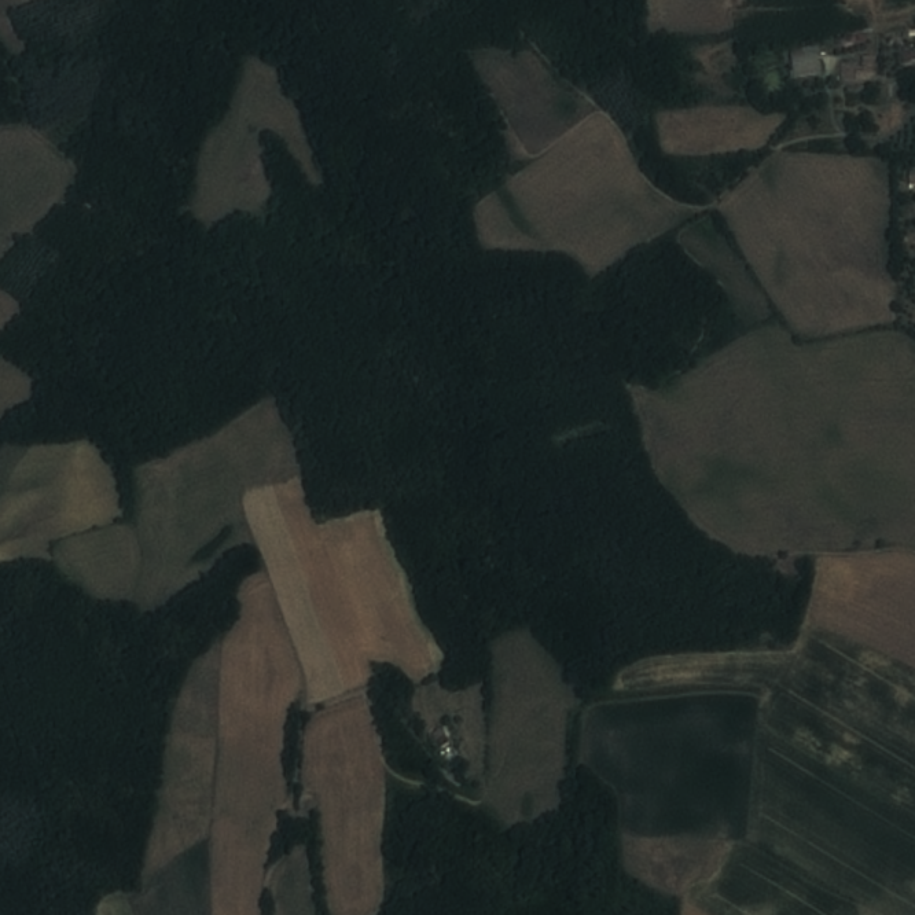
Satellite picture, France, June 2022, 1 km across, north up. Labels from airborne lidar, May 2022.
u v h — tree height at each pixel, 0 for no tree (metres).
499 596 20
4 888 15
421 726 16
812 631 0
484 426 26
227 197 0
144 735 23
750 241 0
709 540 10
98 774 16
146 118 14
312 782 0
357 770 0
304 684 0
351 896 0
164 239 21
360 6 16
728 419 0
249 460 0
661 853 0
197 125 19
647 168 14
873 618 0
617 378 14
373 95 20
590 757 0
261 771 0
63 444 11
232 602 14
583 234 0
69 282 10
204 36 22
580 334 7
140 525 0
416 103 12
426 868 14
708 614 19
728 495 0
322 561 0
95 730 14
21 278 8
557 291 16
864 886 0
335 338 18
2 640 17
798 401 0
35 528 0
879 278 0
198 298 21
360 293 25
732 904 0
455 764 16
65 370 25
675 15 0
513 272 17
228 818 0
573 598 13
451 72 7
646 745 0
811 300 0
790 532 0
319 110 24
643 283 18
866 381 0
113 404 11
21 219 0
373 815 0
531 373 13
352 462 17
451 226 15
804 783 0
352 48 19
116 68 15
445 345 21
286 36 21
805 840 0
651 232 0
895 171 10
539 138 0
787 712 0
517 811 0
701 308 11
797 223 0
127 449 21
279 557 0
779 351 0
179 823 0
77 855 14
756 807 0
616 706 0
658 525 17
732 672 0
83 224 11
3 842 17
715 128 0
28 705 14
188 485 0
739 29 7
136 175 17
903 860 0
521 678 0
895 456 0
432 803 20
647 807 0
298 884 0
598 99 13
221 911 0
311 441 14
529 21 8
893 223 11
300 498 0
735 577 12
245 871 0
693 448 0
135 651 25
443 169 12
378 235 17
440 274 18
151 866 0
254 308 18
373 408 16
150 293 24
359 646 0
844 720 0
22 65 19
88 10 11
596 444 17
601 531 14
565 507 23
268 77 0
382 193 20
